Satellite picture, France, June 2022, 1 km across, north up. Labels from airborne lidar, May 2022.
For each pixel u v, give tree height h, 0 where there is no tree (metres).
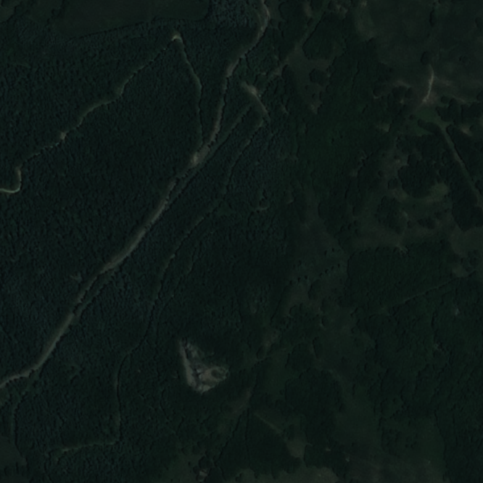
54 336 14
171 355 15
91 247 16
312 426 14
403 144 14
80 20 0
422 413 9
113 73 14
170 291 18
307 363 19
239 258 15
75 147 13
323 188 13
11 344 24
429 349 20
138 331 18
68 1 13
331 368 0
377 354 16
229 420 6
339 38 17
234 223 18
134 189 15
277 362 0
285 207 15
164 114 11
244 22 19
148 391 14
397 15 0
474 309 14
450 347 16
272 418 0
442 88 0
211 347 13
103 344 17
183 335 16
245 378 11
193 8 0
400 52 0
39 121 13
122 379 16
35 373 19
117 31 19
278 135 11
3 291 18
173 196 14
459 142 19
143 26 23
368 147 17
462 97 0
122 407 12
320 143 16
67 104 9
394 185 12
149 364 14
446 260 21
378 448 0
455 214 12
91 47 22
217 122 14
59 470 18
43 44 16
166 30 20
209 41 14
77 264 21
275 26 7
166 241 16
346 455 8
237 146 15
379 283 15
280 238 13
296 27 14
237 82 10
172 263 13
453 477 8
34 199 16
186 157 15
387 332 19
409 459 0
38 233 17
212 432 7
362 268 19
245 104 14
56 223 10
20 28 20
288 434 6
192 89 18
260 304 8
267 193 17
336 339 0
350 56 15
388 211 8
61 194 15
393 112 13
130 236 20
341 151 17
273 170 14
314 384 18
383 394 17
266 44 18
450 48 0
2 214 18
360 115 11
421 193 24
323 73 12
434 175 13
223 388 11
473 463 11
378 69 18
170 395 16
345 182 13
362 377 11
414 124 0
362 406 0
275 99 8
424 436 0
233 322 9
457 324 18
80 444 10
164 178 16
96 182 19
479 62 0
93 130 10
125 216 19
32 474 15
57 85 18
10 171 15
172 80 17
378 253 16
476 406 11
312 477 0
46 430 26
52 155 23
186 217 16
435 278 20
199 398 12
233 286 12
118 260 0
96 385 12
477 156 18
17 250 20
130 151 15
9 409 19
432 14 14
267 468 12
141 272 10
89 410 18
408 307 17
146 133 18
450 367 12
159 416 16
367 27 0
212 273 10
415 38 0
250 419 10
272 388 0
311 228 0
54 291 20
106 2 0
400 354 19
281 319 10
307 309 9
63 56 18
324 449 10
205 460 12
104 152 16
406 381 19
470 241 0
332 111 15
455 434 13
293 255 16
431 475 0
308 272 0
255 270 13
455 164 16
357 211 13
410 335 18
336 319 0
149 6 0
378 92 16
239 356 12
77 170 17
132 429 15
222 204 11
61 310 16
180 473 0
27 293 19
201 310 10
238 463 11
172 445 11
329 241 0
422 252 18
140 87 17
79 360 23
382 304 18
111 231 16
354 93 10
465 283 19
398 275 16
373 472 0
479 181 6
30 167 17
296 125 10
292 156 8
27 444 17
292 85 18
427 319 19
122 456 13
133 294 22
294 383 14
